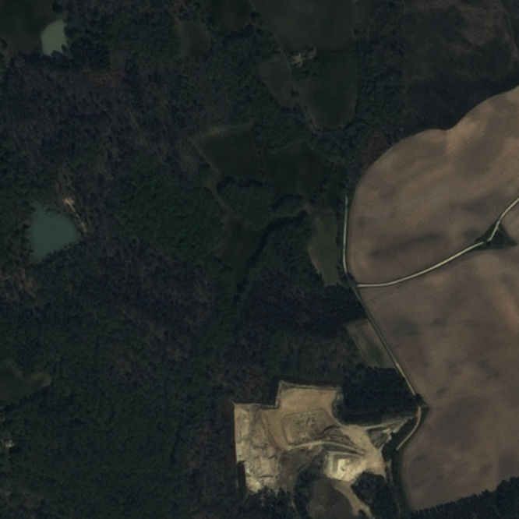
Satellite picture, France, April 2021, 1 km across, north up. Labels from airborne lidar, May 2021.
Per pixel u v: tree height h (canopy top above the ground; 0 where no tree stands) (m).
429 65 0
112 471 23
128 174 14
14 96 10
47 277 21
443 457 0
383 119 22
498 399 0
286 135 16
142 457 22
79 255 15
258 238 0
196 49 0
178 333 19
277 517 15
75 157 17
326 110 0
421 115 0
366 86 8
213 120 13
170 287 21
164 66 14
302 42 0
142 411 18
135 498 25
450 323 0
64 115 19
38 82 11
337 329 17
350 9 0
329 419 0
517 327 0
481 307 0
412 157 0
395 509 18
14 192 23
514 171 0
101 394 28
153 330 9
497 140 0
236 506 11
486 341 0
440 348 0
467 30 0
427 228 0
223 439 21
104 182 24
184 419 18
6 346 22
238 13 0
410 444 0
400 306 0
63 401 22
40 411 20
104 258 10
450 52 0
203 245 26
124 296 27
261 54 21
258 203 20
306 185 0
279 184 0
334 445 0
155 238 22
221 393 18
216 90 11
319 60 11
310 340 8
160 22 12
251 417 0
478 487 0
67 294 21
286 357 17
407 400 18
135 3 10
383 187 0
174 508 12
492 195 0
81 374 24
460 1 0
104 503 23
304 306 17
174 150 13
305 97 0
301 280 14
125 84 7
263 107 19
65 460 24
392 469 10
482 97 0
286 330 15
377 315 0
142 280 22
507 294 0
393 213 0
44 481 21
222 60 24
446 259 0
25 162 13
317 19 0
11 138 20
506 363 0
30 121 13
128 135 9
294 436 0
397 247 0
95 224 18
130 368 9
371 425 0
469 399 0
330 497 0
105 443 28
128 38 18
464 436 0
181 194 19
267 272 15
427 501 0
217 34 19
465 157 0
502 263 0
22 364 20
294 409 0
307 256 14
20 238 20
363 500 16
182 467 22
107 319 26
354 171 15
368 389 18
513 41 0
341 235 12
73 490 24
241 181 9
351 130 13
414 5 0
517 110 0
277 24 0
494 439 0
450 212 0
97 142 19
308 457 0
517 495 20
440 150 0
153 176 21
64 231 0
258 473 0
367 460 0
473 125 0
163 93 12
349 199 8
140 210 27
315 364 12
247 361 20
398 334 0
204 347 20
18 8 0
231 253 0
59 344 22
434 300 0
